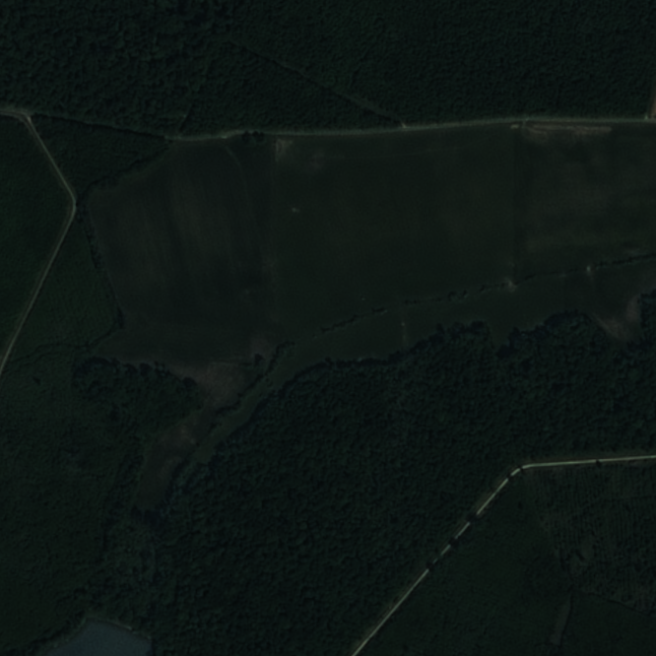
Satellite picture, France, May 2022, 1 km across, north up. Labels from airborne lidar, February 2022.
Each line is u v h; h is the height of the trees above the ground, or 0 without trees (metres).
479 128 0
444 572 9
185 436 0
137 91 28
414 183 0
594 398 24
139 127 21
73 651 0
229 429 0
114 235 0
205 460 0
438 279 0
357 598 21
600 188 0
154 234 0
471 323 0
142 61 28
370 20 15
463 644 11
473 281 0
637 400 27
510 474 0
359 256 0
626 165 0
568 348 24
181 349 0
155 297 0
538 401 24
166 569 21
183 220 0
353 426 26
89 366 23
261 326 0
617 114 10
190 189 0
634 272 0
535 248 0
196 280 0
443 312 0
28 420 6
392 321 0
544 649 10
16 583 8
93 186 17
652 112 0
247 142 17
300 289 0
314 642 26
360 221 0
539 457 22
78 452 12
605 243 0
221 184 0
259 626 23
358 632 22
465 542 19
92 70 30
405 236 0
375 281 0
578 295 0
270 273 0
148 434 25
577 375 25
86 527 8
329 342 0
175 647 25
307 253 0
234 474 22
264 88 16
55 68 28
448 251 0
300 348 0
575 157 0
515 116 12
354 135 0
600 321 0
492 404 24
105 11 29
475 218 0
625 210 0
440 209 0
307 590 22
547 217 0
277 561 25
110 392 28
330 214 0
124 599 19
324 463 23
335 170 0
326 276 0
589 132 0
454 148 0
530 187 0
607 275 0
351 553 25
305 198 0
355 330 0
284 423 23
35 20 27
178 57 29
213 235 0
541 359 29
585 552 0
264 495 23
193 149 0
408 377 24
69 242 6
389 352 0
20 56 26
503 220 0
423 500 20
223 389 0
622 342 0
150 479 0
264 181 0
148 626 17
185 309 0
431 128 0
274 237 0
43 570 6
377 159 0
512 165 0
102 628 0
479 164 0
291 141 0
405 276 0
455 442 22
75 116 21
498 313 0
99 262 18
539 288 0
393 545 25
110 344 0
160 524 31
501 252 0
